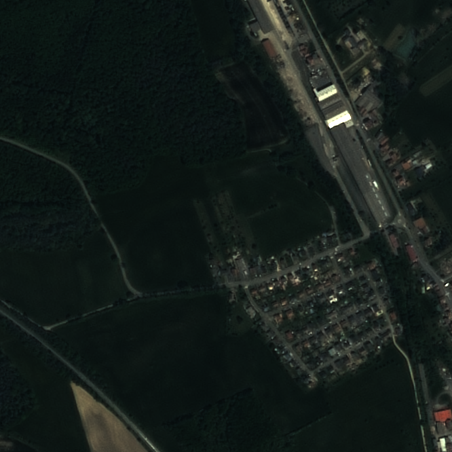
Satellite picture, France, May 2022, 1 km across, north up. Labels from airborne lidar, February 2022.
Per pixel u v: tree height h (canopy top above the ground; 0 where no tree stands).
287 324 0
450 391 0
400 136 0
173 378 0
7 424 17
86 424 0
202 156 19
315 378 0
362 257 0
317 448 0
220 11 0
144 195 0
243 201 0
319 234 0
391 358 0
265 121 0
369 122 0
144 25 25
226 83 0
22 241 18
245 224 0
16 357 0
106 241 0
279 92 25
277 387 0
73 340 0
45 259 0
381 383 0
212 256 7
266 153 0
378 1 0
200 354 0
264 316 0
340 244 0
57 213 20
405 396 0
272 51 0
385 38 0
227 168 0
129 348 0
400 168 0
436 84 0
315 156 14
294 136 16
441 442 0
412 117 0
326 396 0
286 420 0
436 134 0
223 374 0
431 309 0
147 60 27
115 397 8
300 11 0
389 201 0
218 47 0
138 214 0
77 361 14
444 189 0
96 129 28
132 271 0
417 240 0
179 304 0
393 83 19
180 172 0
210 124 23
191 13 21
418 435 0
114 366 0
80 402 0
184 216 0
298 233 0
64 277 0
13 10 17
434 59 0
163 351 0
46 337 19
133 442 0
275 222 0
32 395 17
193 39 19
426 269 0
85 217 19
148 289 0
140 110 25
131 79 24
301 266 0
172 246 0
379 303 0
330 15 0
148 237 0
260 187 0
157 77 22
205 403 0
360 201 0
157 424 0
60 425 0
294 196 0
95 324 0
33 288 0
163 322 0
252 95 0
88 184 19
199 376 0
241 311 0
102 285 0
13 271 0
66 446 0
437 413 0
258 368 0
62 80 21
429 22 0
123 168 22
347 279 0
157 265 0
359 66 0
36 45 15
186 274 0
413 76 0
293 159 12
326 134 0
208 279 0
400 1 0
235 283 0
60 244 16
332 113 0
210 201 0
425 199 0
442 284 0
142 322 0
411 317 15
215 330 0
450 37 0
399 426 0
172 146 19
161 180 0
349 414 0
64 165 0
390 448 0
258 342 0
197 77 24
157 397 0
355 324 0
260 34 0
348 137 0
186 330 0
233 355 0
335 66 7
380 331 0
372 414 0
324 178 29
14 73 16
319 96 0
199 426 13
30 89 26
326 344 0
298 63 0
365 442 0
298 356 0
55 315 0
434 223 0
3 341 0
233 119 22
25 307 0
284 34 0
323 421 0
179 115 22
